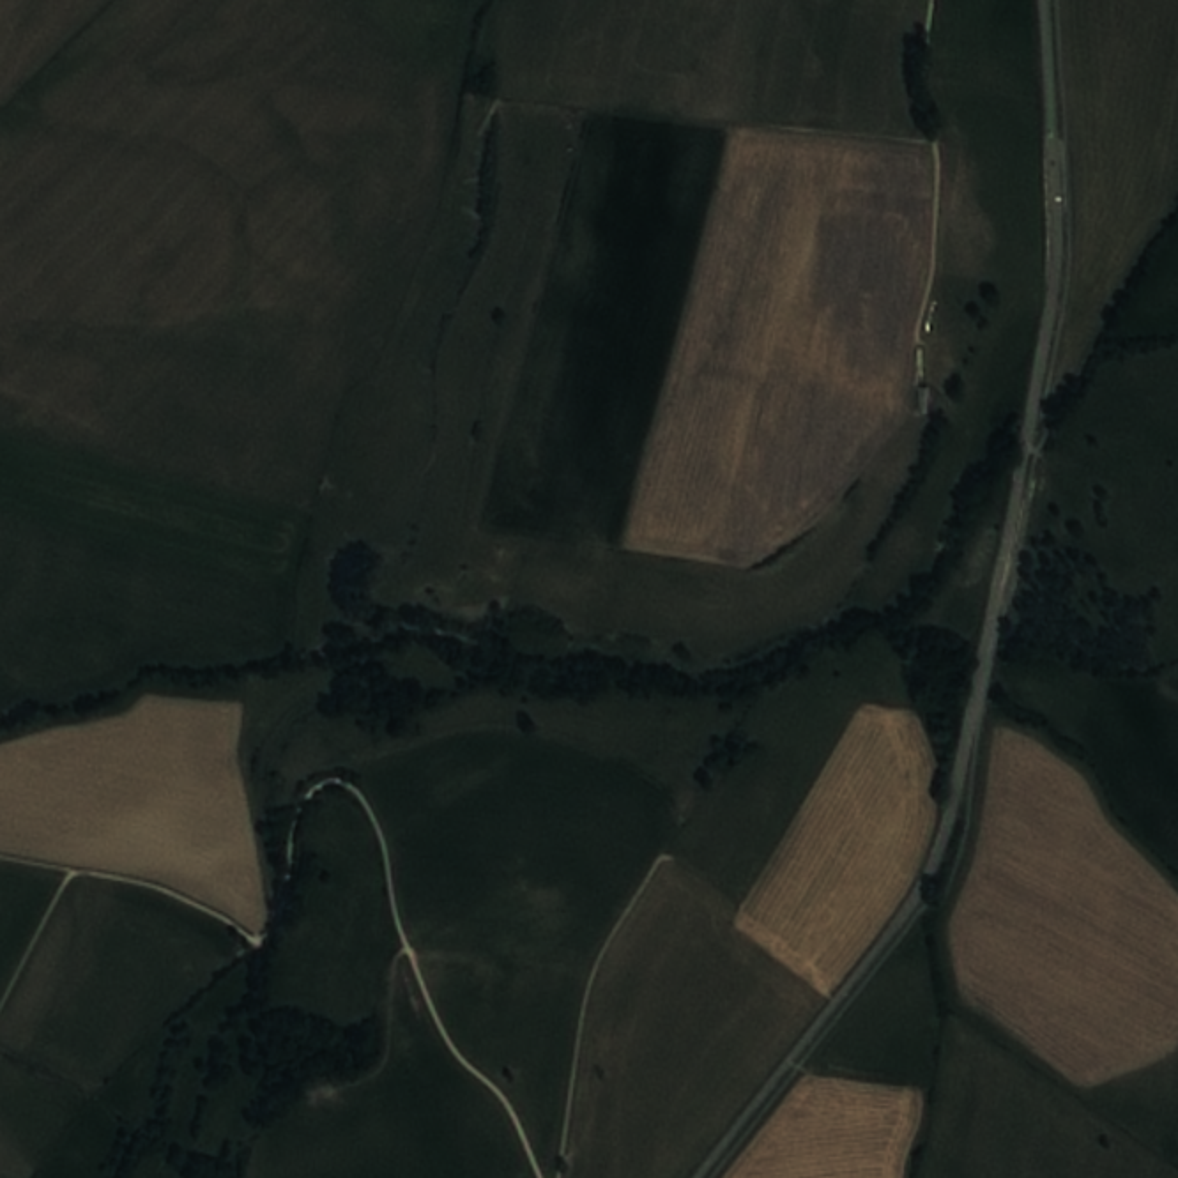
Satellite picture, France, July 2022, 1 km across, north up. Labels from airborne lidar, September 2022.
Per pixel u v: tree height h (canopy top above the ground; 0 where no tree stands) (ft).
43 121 0
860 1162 0
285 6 0
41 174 0
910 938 0
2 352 0
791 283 0
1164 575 0
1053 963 0
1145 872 0
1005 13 0
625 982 0
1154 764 0
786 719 0
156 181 0
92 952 0
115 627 0
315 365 0
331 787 29
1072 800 0
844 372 0
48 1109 0
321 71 0
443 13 0
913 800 0
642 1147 0
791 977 0
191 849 0
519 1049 0
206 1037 0
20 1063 0
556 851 0
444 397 0
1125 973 0
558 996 0
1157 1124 0
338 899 0
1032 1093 0
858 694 0
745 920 0
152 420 0
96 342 0
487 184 24
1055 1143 0
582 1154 0
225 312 0
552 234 0
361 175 0
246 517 0
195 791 0
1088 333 0
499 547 0
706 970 0
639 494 0
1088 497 0
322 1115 0
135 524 0
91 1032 0
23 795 0
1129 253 0
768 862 0
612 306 0
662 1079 0
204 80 0
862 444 0
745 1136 0
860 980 0
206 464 0
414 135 0
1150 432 0
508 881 0
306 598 0
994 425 0
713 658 0
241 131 0
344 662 51
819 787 0
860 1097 0
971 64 0
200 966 0
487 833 0
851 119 0
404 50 0
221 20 0
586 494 0
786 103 0
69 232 0
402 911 0
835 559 0
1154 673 39
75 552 0
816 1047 0
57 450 0
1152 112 0
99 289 0
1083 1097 0
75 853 0
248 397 0
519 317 0
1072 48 0
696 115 0
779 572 0
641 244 0
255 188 0
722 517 0
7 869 0
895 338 0
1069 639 55
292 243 0
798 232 0
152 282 0
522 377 0
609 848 0
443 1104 0
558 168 0
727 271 0
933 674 25
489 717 0
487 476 0
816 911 0
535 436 0
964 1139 0
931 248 0
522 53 0
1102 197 0
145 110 0
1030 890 0
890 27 0
